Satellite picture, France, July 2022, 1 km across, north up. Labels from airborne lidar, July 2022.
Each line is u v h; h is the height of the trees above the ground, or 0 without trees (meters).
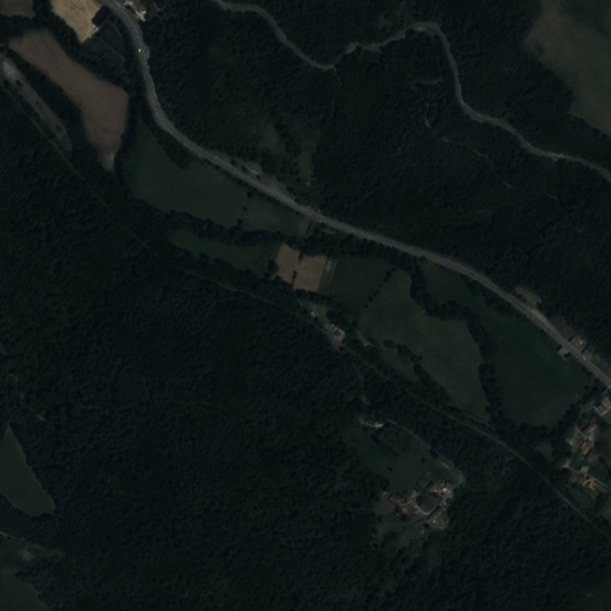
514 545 14
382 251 20
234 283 12
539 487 16
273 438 19
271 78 16
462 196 14
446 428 12
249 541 20
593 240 13
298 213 8
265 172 11
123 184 25
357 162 16
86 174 15
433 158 14
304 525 20
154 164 0
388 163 10
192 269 16
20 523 28
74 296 21
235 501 11
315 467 29
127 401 32
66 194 24
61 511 13
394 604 35
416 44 25
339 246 16
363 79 21
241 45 8
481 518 14
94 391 11
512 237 11
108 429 25
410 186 16
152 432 11
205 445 18
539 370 0
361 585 12
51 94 19
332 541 8
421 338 0
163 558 14
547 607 22
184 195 0
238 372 23
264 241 30
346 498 19
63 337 19
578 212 26
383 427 7
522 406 0
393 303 0
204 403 12
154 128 22
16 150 15
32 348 13
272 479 14
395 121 9
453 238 12
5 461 0
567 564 13
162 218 20
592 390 12
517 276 13
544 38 0
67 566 11
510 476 11
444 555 8
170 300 27
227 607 8
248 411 14
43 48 0
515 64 11
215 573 15
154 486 10
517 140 15
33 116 23
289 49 18
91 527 10
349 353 13
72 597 19
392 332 0
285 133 13
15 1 0
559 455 14
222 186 0
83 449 21
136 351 23
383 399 7
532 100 17
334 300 21
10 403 11
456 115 19
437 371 0
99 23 23
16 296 12
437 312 24
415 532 0
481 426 7
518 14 6
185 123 11
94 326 26
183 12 16
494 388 23
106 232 18
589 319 17
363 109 16
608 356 7
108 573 11
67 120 13
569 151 10
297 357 22
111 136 0
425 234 10
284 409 21
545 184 21
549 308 14
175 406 15
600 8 0
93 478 15
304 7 14
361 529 24
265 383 18
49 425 9
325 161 11
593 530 15
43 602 14
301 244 8
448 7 21
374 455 0
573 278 16
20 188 20
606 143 12
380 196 20
